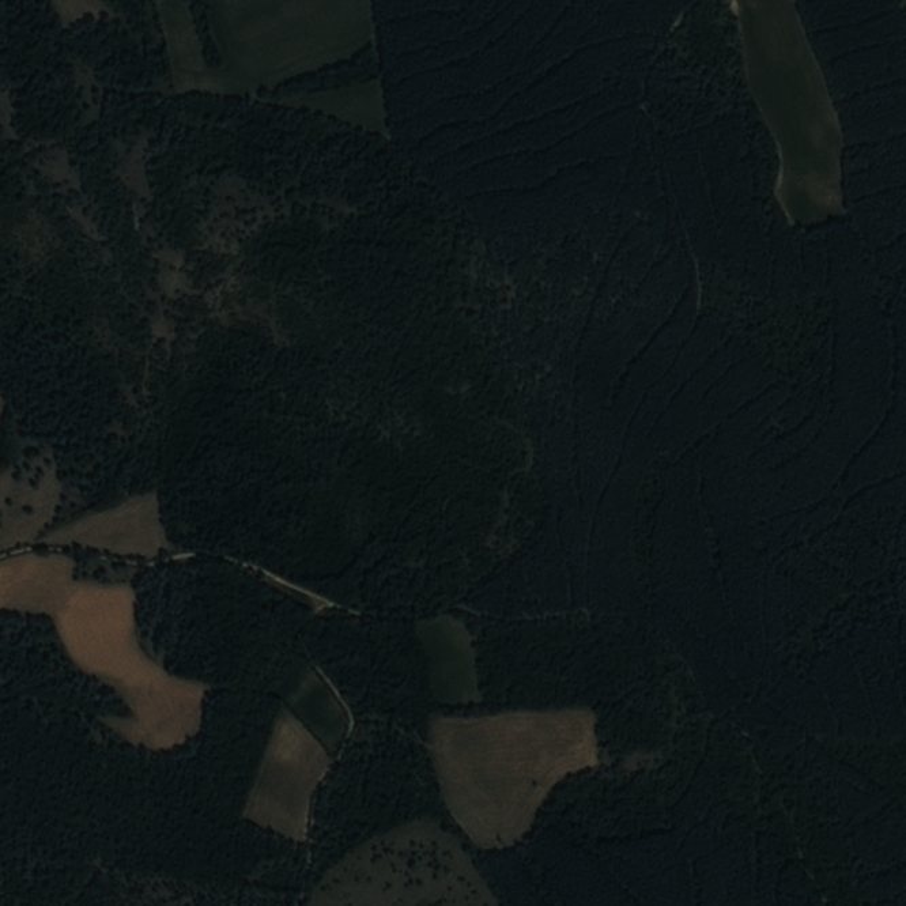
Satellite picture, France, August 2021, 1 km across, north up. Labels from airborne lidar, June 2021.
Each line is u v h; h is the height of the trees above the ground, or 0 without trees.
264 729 11
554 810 15
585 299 6
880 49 12
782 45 0
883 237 14
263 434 11
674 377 14
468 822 0
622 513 16
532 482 7
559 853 19
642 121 11
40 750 12
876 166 13
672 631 16
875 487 15
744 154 5
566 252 8
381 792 11
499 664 10
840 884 11
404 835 0
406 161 8
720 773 11
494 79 14
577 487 9
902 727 15
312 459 13
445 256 7
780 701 15
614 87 10
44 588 0
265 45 0
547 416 14
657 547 15
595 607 13
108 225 8
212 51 9
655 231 10
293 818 0
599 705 11
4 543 0
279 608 13
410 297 12
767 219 17
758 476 14
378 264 15
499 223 11
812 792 12
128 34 10
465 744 0
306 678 0
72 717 11
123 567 13
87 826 8
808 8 11
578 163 8
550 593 14
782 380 12
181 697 0
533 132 15
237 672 11
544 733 0
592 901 15
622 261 8
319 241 12
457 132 14
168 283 0
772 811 11
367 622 10
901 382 14
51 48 9
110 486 12
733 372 14
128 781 10
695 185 13
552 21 10
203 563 15
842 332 15
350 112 0
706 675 16
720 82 11
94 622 0
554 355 9
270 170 10
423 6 12
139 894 11
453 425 7
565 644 8
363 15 0
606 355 13
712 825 15
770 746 15
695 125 15
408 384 12
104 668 0
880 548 19
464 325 5
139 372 7
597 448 11
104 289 12
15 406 10
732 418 14
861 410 14
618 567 14
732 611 13
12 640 11
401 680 12
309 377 11
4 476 0
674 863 15
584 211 11
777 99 0
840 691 16
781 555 17
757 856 8
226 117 12
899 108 14
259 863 16
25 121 15
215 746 13
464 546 7
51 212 8
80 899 8
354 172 8
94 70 9
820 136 0
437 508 8
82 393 6
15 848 14
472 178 15
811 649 8
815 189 0
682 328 13
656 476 10
